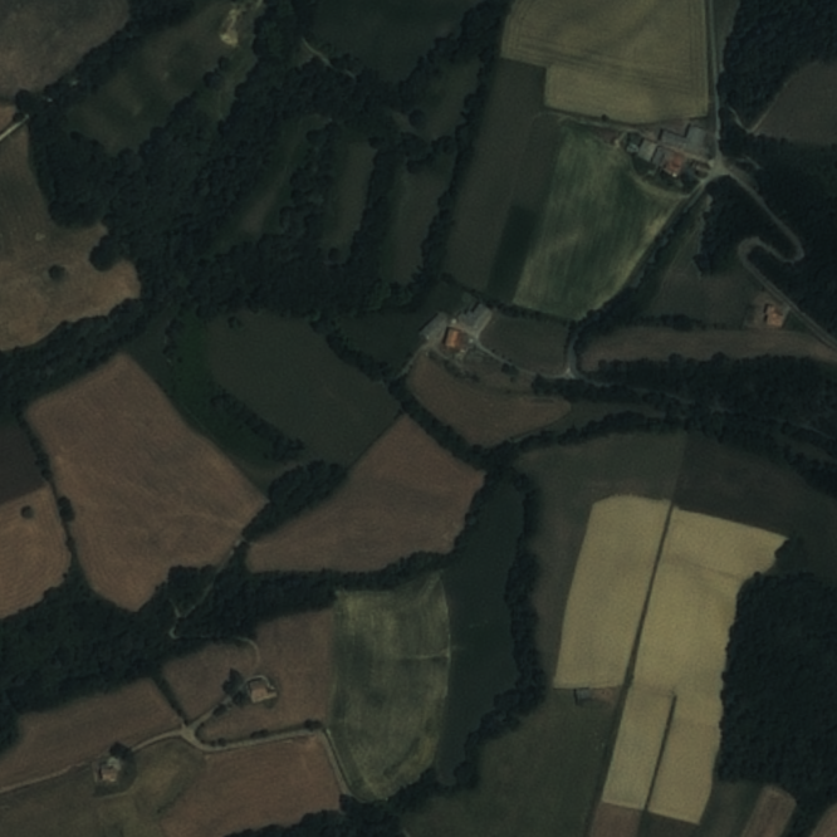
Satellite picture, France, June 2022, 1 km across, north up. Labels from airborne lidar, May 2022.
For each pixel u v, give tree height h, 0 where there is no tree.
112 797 0
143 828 0
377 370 13
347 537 0
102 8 0
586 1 0
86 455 0
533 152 0
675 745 0
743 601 10
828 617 20
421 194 0
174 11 22
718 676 0
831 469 17
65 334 16
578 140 0
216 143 13
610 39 0
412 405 15
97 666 10
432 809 0
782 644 25
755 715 22
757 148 15
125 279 0
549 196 0
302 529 0
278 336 0
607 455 0
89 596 10
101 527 0
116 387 0
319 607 12
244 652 0
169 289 16
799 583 19
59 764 0
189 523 0
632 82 0
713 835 0
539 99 0
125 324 16
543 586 0
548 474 0
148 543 0
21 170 0
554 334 0
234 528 0
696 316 0
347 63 15
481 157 0
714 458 0
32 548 0
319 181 17
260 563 0
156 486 0
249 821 0
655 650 0
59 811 0
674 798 0
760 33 17
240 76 0
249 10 0
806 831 7
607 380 14
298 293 21
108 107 0
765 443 17
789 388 16
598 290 0
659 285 0
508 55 0
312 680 0
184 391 0
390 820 17
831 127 0
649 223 0
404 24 0
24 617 7
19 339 0
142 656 15
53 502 0
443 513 0
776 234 12
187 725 6
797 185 12
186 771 0
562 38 0
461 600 0
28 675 10
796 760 19
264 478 0
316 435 0
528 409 0
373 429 0
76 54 0
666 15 0
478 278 0
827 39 9
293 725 0
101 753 0
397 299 26
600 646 0
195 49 0
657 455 0
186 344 0
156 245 28
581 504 0
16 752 0
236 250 11
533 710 14
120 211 26
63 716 0
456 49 19
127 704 0
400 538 0
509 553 0
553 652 0
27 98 22
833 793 20
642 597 0
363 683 0
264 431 19
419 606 0
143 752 0
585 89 0
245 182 13
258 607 22
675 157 0
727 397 18
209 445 0
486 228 0
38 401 0
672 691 0
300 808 0
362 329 0
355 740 0
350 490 0
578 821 0
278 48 28
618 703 0
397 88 8
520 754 0
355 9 0
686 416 11
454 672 0
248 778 0
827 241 13
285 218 12
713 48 0
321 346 0
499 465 16
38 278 0
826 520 0
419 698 0
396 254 0
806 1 15
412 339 0
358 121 13
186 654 13
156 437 0
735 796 0
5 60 0
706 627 0
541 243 0
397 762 0
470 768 14
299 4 18
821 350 0
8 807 0
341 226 0
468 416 0
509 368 13
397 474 0
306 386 0
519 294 0
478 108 16
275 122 17
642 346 0
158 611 13
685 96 0
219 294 22
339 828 16
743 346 0
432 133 0
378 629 0
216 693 0
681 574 0
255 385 0
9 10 0
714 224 11
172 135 13
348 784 0
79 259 0
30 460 0
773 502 0
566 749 0
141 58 0
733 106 16
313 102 11
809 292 13
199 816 0
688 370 19
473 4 0
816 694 19
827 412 19
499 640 0
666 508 0
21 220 0
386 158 17
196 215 13
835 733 23
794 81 0
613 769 0
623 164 0
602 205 0
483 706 0
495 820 0
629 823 0
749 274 0
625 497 0
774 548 0
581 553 0
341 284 17
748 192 12
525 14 0
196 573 18
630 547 0
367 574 7
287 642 0
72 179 26
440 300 0
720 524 0
